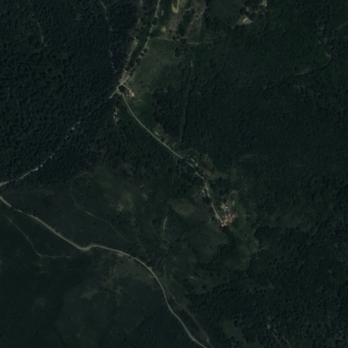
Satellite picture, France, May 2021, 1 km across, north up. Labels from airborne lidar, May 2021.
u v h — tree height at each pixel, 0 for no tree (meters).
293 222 0
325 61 6
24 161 16
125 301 0
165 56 0
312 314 6
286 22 19
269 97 18
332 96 23
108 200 0
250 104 12
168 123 17
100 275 0
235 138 18
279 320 18
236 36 16
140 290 0
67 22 12
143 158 8
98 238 0
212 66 16
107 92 15
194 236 0
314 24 19
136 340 8
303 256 12
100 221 0
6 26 21
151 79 0
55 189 0
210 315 6
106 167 0
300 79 21
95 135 14
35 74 16
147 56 0
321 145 16
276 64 15
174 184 6
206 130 11
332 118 20
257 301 15
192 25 0
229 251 16
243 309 19
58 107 12
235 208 0
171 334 7
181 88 6
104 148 12
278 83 23
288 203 19
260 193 6
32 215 10
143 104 0
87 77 8
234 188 7
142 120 7
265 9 11
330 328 14
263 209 14
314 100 20
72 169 13
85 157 10
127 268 0
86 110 16
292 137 16
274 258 6
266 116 17
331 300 22
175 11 0
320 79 16
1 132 20
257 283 7
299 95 28
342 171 9
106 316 0
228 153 15
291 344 8
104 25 12
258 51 12
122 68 12
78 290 0
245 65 5
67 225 0
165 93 11
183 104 15
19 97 14
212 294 15
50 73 14
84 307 0
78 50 18
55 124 13
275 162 12
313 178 16
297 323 6
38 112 19
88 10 15
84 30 16
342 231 22
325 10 16
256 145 17
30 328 6
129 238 0
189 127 17
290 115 21
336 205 7
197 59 6
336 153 14
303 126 23
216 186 6
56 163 14
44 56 17
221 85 21
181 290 0
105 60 7
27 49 13
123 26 10
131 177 12
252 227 8
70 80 7
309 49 16
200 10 0
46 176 15
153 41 0
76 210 0
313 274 14
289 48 18
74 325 0
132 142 9
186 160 15
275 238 9
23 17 17
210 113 19
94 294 0
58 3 12
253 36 17
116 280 0
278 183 14
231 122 18
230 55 10
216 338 11
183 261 0
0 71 8
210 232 0
